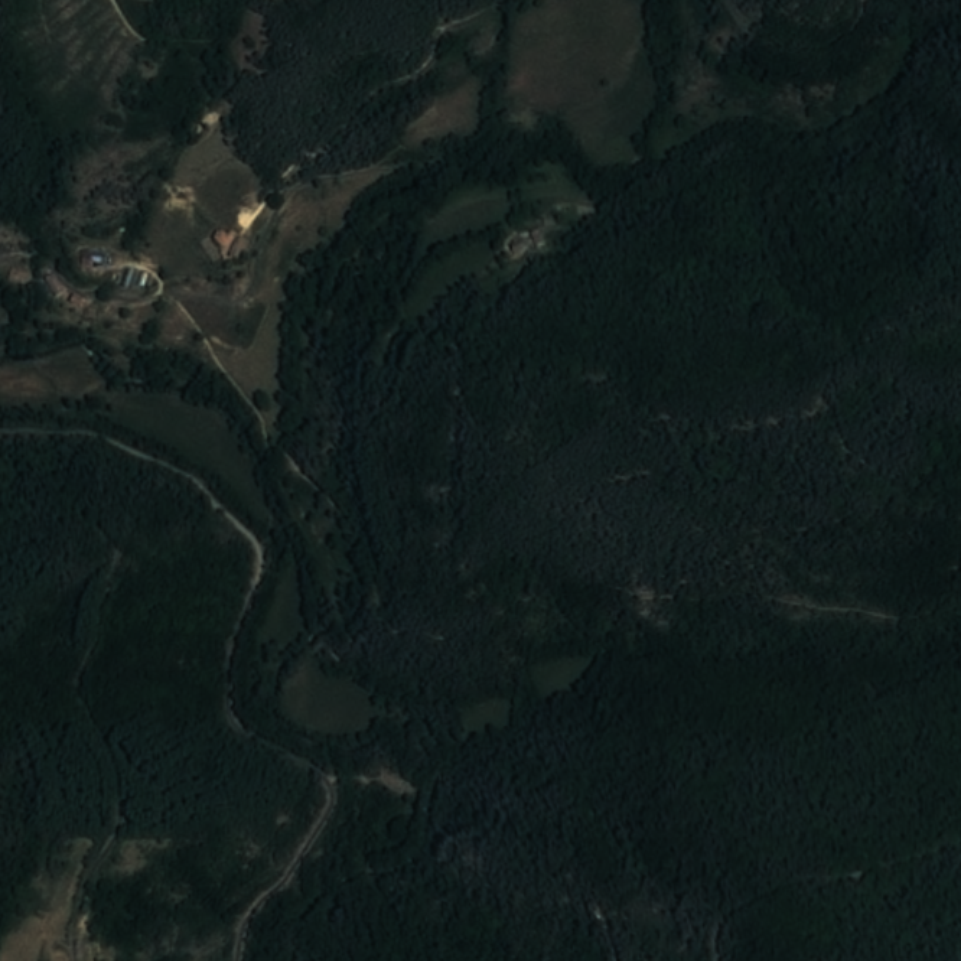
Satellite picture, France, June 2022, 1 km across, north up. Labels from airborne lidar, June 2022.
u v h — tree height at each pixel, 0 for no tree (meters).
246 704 22
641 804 18
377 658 19
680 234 19
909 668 18
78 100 0
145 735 29
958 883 13
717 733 15
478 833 15
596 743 22
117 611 16
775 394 17
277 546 15
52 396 0
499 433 9
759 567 11
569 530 20
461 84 0
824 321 15
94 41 0
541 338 15
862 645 21
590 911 19
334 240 9
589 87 0
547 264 12
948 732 17
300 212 0
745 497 21
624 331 17
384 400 19
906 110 15
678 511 18
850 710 18
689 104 0
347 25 21
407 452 13
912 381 27
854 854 18
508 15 23
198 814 23
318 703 0
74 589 12
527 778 23
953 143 26
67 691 18
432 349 15
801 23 8
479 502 23
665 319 12
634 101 0
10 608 28
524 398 11
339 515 12
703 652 18
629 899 8
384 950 18
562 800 29
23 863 8
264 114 14
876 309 7
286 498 14
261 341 0
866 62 22
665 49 8
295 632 0
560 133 11
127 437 10
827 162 12
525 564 15
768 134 28
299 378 19
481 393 12
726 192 14
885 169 27
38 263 15
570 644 18
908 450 30
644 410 17
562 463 19
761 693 14
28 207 20
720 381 15
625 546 18
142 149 0
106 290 10
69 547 18
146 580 9
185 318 0
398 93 5
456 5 18
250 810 24
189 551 7
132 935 6
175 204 0
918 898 14
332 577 0
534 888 18
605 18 0
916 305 10
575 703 19
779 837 18
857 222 14
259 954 19
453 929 12
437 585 14
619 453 19
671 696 23
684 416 20
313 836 0
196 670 13
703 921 20
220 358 0
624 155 0
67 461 14
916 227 26
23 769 22
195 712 14
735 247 14
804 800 19
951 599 16
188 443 0
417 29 17
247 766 26
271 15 17
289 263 0
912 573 24
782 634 22
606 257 14
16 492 17
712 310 17
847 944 12
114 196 11
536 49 0
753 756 16
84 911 15
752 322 16
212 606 16
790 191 13
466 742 9
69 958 0
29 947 0
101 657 12
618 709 20
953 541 25
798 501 21
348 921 22
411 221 21
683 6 0
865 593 12
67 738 22
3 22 24
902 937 15
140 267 0
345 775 12
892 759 19
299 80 16
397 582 16
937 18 14
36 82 0
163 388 16
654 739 19
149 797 31
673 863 21
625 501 22
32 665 15
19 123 31
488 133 22
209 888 12
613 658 22
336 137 12
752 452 27
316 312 7
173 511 19
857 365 17
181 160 0
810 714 15
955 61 26
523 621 6
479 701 19
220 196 0
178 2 16
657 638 16
